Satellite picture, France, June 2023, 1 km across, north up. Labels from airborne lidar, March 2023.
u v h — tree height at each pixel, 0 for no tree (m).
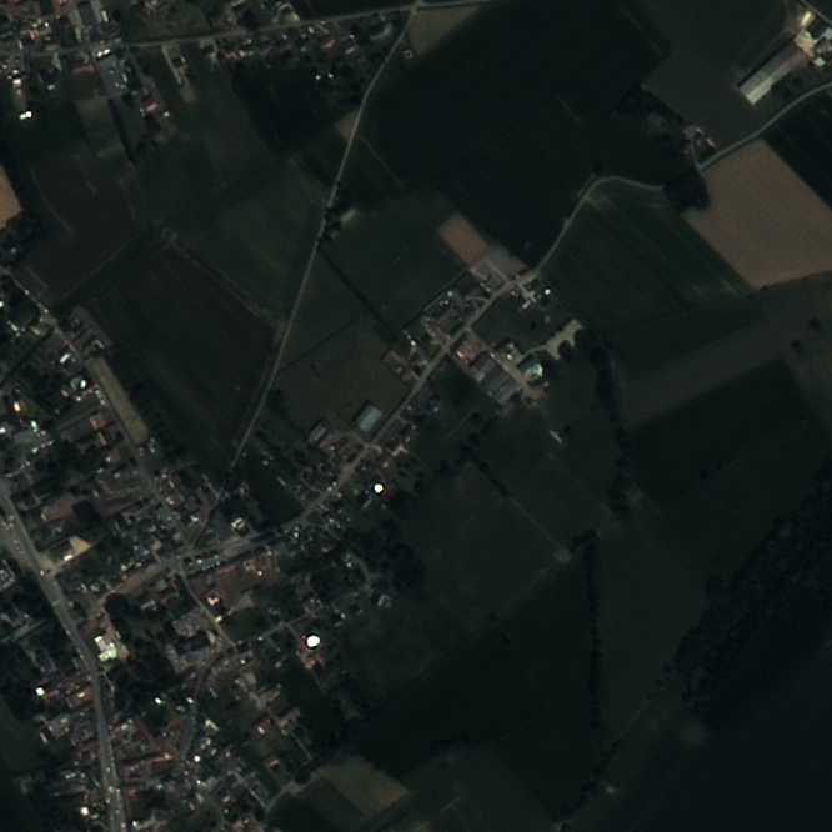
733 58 0
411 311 0
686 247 0
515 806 0
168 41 0
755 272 0
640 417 0
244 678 0
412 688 0
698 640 23
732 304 0
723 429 0
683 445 0
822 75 0
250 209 0
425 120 0
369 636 0
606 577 0
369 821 0
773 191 0
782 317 0
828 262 0
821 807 0
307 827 0
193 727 0
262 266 0
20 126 0
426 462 0
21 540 0
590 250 0
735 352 0
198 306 0
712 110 0
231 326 0
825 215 0
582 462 0
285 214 0
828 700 0
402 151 0
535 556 0
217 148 0
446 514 0
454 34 0
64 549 0
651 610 0
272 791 0
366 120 0
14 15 0
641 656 0
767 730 0
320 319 0
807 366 0
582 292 0
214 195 0
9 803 0
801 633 22
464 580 0
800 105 0
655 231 0
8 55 0
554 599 0
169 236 0
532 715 0
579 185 0
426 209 0
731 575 0
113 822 0
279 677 0
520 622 0
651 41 0
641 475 0
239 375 0
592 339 18
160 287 0
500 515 0
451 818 0
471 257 0
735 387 0
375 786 0
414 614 0
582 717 0
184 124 0
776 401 0
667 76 0
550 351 0
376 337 0
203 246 0
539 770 0
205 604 0
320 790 0
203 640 0
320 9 0
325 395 0
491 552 0
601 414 0
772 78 0
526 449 0
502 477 0
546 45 0
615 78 0
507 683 0
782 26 0
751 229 0
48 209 0
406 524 0
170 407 0
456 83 0
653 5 0
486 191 0
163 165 0
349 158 0
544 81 0
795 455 0
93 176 0
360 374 0
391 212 0
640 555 0
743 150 0
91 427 0
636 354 0
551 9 0
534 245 0
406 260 0
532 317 0
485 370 0
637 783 0
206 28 0
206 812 0
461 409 0
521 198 0
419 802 0
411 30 0
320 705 0
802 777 0
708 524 0
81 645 0
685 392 0
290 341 0
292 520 0
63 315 0
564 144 0
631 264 0
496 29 0
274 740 0
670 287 0
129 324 0
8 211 0
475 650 0
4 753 0
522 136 0
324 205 0
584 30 0
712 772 0
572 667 0
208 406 0
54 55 0
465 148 0
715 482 0
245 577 0
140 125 0
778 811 0
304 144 0
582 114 0
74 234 0
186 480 11
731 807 0
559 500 0
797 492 0
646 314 0
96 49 0
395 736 0
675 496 0
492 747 0
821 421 0
